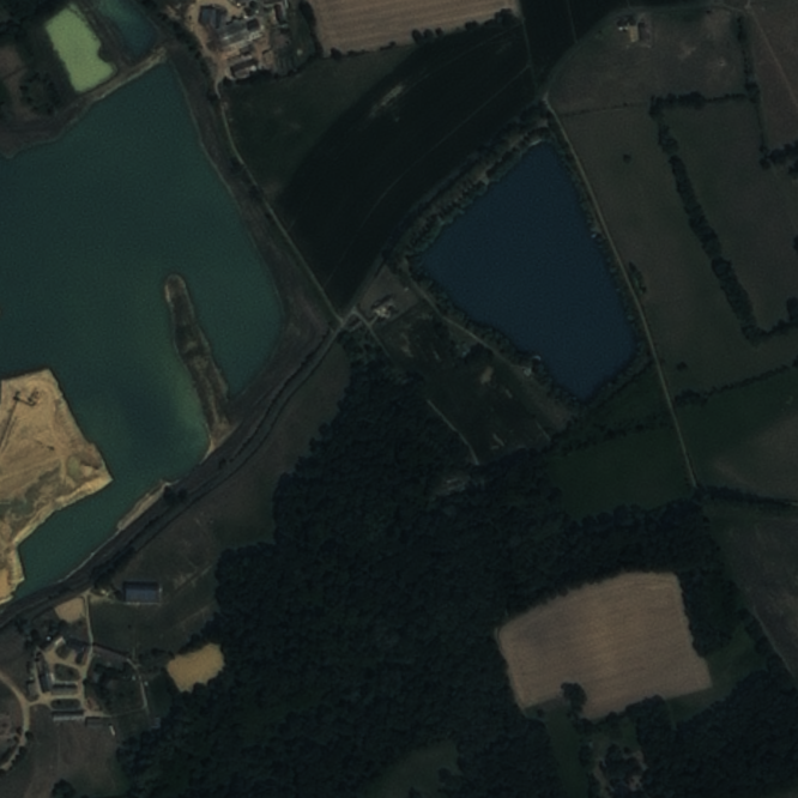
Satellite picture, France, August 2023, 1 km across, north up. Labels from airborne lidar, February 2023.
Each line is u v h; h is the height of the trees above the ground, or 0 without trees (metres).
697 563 32
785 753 25
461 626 24
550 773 22
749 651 0
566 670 0
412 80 0
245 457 0
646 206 0
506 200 0
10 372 0
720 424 0
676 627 0
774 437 0
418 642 24
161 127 0
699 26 0
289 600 24
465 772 22
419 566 20
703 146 0
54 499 0
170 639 0
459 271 0
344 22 0
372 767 18
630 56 0
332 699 6
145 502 0
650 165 0
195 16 0
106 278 0
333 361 0
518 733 17
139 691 0
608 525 23
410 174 0
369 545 25
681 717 0
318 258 0
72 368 0
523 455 13
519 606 17
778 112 0
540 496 12
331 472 22
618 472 0
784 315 0
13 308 0
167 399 0
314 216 0
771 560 0
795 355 0
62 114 0
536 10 0
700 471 0
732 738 25
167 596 0
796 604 0
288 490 25
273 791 24
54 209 0
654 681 0
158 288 0
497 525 16
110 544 0
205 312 0
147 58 0
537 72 0
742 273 0
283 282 0
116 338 0
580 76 0
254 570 19
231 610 22
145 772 29
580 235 0
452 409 0
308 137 0
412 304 0
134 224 0
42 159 0
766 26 0
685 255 0
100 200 0
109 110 0
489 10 0
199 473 0
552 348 0
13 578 0
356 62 0
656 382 0
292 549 29
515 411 0
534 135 8
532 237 0
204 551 0
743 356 0
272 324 0
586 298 0
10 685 0
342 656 7
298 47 0
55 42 0
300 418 0
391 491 22
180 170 0
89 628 0
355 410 22
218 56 0
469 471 10
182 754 14
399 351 0
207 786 9
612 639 0
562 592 16
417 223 17
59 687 0
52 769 0
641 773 12
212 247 0
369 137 0
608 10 0
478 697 18
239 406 0
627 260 0
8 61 0
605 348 0
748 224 0
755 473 0
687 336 0
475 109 0
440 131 0
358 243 0
